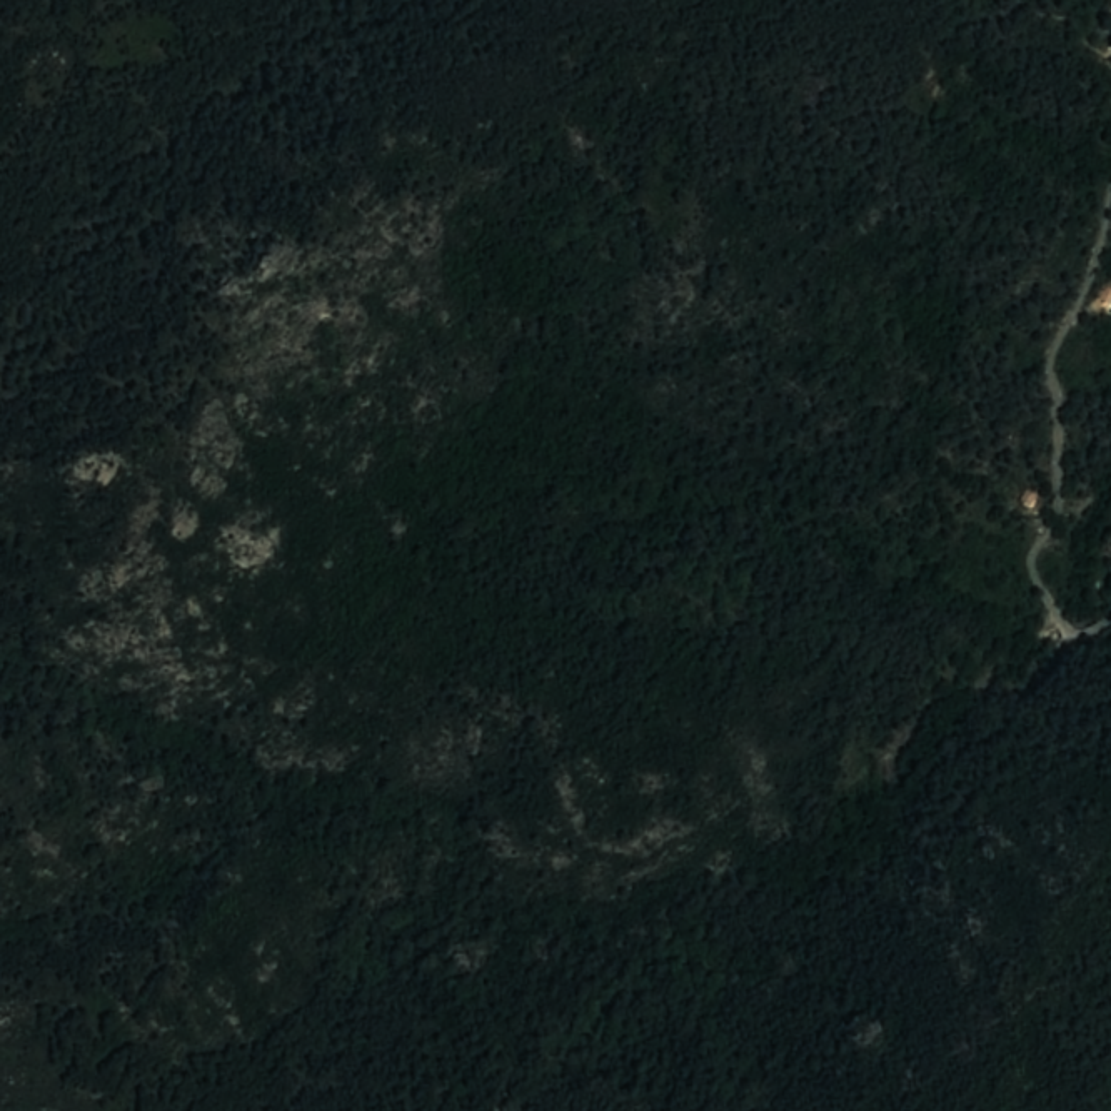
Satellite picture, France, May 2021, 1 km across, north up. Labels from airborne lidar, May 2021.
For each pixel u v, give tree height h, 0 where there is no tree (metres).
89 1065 21
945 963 7
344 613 7
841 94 23
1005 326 7
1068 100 16
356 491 8
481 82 19
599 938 20
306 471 8
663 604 10
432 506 21
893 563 19
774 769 6
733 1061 24
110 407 18
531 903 11
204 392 14
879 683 25
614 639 14
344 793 23
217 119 25
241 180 20
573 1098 21
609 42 16
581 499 19
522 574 17
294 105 25
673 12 9
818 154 22
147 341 13
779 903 23
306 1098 13
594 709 9
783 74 20
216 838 15
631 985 17
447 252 8
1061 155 15
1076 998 17
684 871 12
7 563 20
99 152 23
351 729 6
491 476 17
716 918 22
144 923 17
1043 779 12
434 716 6
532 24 17
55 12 16
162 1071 19
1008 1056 9
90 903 16
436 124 14
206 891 11
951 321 11
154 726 25
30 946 19
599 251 16
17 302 17
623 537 20
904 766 13
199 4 18
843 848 20
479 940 13
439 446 9
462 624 9
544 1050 25
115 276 20
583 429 8
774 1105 11
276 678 5
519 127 20
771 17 14
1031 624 12
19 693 29
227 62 15
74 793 13
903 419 20
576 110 10
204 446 7
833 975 14
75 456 8
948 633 33
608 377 18
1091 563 11
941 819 23
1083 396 17
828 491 7
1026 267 24
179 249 15
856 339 16
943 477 6
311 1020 21
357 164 14
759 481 22
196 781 9
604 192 22
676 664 13
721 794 9
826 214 15
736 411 18
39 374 13
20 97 10
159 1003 16
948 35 17
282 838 8
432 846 11
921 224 23
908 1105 14
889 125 25
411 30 21
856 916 21
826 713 18
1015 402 19
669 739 7
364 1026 19
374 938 23
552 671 5
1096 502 8
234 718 19
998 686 18
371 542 9
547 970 19
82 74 11
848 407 18
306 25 25
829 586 22
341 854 8
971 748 24
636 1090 18
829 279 10
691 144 19
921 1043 14
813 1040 19
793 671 6
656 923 8
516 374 22
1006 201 16
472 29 19
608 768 7
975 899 11
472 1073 10
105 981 14
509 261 13
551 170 19
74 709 28
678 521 17
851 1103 15
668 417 7
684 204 13
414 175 19
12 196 17
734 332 17
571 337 19
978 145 15
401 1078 12
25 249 19
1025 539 7
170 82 18
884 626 24
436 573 12
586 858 6
